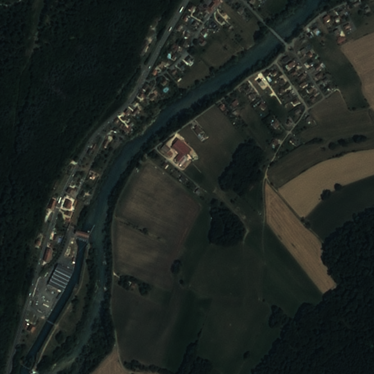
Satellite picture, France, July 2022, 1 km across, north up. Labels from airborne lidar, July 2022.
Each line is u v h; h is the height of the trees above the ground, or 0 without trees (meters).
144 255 0
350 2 12
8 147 8
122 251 0
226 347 0
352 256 28
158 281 0
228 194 0
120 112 0
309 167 0
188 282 0
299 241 0
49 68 20
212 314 0
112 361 0
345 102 0
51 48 26
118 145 0
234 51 0
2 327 26
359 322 32
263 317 0
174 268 19
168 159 0
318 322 25
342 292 20
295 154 0
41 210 21
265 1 0
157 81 11
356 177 0
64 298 0
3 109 22
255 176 29
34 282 0
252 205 0
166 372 19
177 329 0
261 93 0
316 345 25
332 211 0
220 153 0
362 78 0
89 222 0
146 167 0
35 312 0
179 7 0
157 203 0
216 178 0
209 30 0
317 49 0
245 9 6
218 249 0
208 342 0
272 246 0
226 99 14
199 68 0
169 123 10
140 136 0
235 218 18
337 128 0
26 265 17
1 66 27
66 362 0
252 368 0
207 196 0
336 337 36
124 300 0
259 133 0
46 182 20
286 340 19
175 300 0
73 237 0
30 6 20
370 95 0
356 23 0
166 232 0
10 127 9
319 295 0
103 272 0
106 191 0
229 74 0
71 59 21
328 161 0
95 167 12
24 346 19
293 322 21
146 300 0
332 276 23
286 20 0
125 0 20
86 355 8
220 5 0
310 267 0
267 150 0
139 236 0
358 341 23
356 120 0
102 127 0
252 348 0
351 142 0
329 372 17
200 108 29
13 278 20
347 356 18
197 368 25
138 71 10
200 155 0
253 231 0
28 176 17
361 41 0
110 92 17
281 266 0
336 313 14
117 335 0
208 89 0
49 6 25
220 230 27
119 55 22
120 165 0
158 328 0
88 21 21
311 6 0
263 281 0
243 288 0
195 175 0
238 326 0
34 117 27
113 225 0
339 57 0
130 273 0
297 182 0
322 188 0
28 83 9
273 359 22
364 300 28
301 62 0
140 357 0
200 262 0
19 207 31
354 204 0
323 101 0
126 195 0
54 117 26
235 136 0
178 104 0
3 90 26
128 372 0
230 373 0
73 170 0
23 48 7
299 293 0
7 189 33
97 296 0
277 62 0
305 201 0
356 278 27
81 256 0
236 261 0
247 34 0
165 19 10
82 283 0
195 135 0
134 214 0
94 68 27
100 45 22
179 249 0
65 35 22
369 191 0
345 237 15
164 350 0
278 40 0
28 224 6
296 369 28
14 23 10
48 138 21
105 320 30
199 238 0
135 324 0
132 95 0
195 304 0
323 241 0
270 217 0
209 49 0
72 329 0
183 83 0
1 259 19
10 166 18
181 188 0
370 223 29
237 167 23
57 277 0
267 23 15
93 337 16
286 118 0
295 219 0
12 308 13
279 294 0
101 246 0
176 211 0
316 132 0
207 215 0
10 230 17
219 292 0
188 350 13
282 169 0
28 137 26
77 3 20
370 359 18
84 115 18
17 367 16
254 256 0
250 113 0
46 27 22
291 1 28
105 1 28
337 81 0
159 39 16
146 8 23
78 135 16
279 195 0
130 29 17
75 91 23
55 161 20
